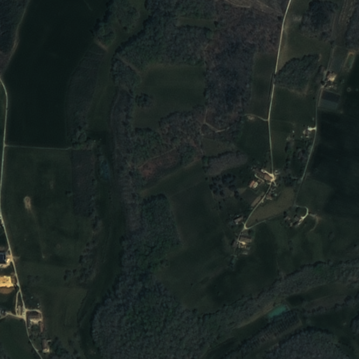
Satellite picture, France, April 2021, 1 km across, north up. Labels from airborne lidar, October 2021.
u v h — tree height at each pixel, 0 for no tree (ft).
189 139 24
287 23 0
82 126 52
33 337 19
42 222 0
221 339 66
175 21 66
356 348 0
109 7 61
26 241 0
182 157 68
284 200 0
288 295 51
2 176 0
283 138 0
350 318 0
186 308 0
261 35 19
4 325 0
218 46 20
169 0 50
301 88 47
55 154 0
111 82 0
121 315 68
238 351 38
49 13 0
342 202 0
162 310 95
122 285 61
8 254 0
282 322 79
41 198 0
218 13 24
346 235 0
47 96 0
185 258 0
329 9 55
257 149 0
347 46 41
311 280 66
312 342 71
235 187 41
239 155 43
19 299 0
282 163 0
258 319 0
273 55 0
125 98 68
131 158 69
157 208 84
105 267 0
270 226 0
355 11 23
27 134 0
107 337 36
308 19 46
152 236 65
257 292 0
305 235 0
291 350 56
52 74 0
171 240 73
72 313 0
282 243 0
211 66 62
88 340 0
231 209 0
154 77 0
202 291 0
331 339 90
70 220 0
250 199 0
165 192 0
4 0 35
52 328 0
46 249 0
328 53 0
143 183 59
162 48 75
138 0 0
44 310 0
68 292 0
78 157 26
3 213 0
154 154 67
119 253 0
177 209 0
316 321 0
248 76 59
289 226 28
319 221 0
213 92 56
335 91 0
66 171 0
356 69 0
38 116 0
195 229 0
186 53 48
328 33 34
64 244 0
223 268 0
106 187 0
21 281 0
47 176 0
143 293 52
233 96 61
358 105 0
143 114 0
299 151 53
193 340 59
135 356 67
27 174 0
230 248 0
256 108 0
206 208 0
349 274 29
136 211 86
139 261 85
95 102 0
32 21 0
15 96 0
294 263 0
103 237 0
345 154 0
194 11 65
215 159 56
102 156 33
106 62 0
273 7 0
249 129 0
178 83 0
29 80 0
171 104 0
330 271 47
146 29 70
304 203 0
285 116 0
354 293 0
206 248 0
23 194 0
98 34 86
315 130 0
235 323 66
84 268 76
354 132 0
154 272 26
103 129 0
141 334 34
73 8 0
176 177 0
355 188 0
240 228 20
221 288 0
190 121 24
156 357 31
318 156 0
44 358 22
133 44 81
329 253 0
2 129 0
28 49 0
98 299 0
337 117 0
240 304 27
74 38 0
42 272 0
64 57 0
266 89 0
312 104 0
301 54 0
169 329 84
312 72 32
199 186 0
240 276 0
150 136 69
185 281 0
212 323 80
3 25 28
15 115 0
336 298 0
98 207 0
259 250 0
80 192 18
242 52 44
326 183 0
